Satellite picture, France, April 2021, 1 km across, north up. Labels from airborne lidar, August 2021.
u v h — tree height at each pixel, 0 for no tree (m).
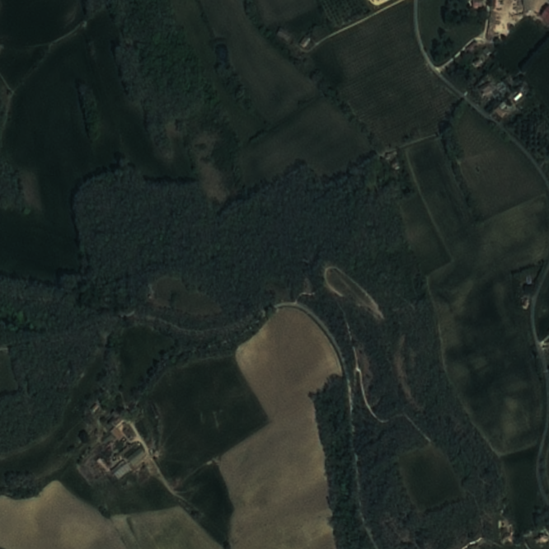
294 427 0
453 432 11
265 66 0
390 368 6
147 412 0
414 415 11
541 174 0
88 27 0
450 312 0
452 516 15
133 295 17
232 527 0
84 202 22
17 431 15
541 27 12
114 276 15
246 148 0
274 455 0
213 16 0
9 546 0
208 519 0
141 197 22
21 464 0
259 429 0
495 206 0
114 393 23
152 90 16
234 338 17
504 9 0
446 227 0
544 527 6
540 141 8
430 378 20
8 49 0
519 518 0
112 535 0
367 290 11
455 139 21
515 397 0
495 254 0
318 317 15
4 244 0
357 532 13
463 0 17
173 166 0
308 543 0
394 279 11
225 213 23
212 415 0
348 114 16
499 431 0
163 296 0
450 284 0
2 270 0
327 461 10
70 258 0
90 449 8
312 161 0
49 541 0
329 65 0
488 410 0
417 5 0
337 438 11
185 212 20
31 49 0
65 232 0
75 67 0
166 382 0
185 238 20
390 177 7
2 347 18
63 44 0
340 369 0
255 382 0
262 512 0
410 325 14
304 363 0
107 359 14
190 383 0
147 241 21
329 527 10
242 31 0
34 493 18
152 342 0
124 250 20
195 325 15
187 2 0
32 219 0
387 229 18
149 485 0
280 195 20
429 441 10
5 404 19
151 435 0
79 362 18
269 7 0
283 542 0
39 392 18
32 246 0
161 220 23
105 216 22
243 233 21
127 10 21
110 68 0
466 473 18
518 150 0
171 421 0
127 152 0
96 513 0
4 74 0
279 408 0
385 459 14
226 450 0
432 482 0
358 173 19
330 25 7
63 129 0
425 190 0
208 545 0
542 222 0
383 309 12
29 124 0
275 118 0
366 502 14
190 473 0
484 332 0
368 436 13
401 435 15
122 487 0
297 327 0
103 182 21
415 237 0
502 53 0
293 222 17
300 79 0
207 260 21
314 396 13
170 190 25
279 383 0
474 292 0
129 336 0
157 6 21
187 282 15
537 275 6
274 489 0
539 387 0
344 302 11
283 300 0
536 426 0
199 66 23
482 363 0
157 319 17
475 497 13
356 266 14
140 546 0
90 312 14
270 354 0
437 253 0
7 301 22
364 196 25
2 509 0
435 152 0
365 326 9
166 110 18
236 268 28
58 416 23
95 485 0
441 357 11
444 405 16
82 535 0
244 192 10
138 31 20
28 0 0
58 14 0
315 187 21
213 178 0
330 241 17
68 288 22
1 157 26
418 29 0
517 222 0
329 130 0
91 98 25
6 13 0
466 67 6
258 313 16
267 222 17
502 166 0
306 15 0
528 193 0
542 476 11
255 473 0
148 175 0
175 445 0
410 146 0
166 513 0
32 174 0
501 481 20
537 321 0
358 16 16
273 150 0
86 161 0
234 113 0
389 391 9
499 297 0
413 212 0
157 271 13
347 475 14
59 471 0
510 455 0
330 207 22
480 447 14
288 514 0
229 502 0
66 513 0
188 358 17
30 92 0
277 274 20
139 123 0
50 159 0
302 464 0
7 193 22
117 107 0
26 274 0
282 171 0
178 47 22
